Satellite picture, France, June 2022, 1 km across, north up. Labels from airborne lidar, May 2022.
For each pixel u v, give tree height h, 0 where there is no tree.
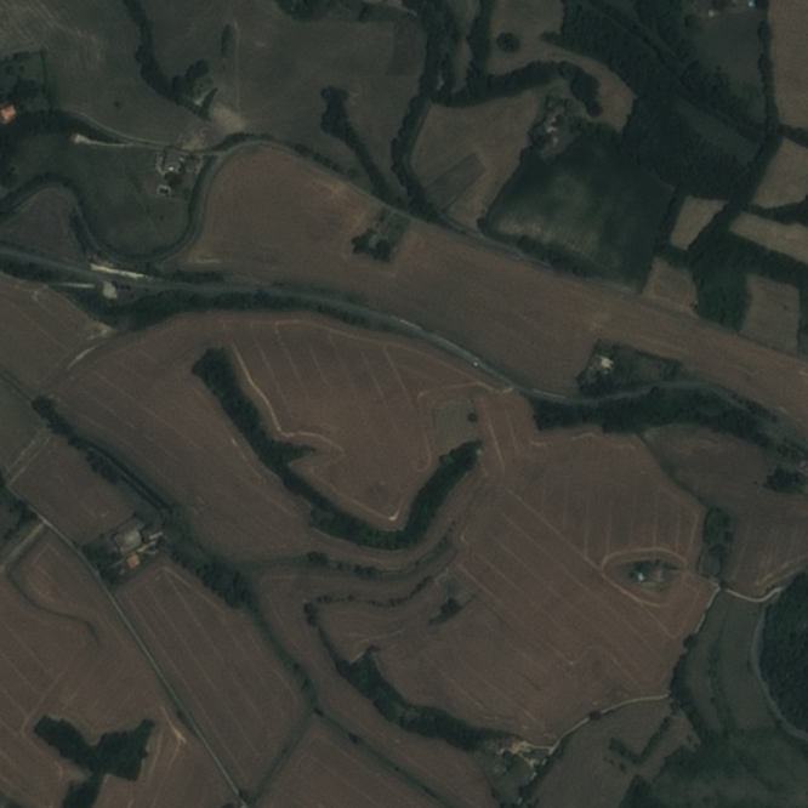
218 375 12
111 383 0
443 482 7
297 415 0
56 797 0
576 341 0
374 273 0
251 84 0
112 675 0
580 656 0
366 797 0
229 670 0
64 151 0
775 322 0
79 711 0
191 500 0
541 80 7
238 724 0
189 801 0
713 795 0
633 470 0
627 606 0
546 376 0
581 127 11
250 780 0
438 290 0
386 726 0
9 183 15
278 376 0
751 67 0
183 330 0
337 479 0
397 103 0
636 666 0
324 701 0
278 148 0
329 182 0
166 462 0
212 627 0
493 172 0
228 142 8
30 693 0
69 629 0
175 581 0
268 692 0
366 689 12
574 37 17
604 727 0
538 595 0
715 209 0
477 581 0
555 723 0
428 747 0
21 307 0
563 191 0
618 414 11
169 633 0
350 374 0
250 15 0
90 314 0
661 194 0
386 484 0
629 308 0
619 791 0
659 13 16
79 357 0
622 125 0
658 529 0
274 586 0
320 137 0
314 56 0
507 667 0
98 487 0
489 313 0
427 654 0
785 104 0
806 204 12
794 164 0
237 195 0
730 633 0
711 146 20
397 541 14
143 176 0
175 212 0
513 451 0
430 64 13
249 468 0
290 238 0
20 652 0
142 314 13
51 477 0
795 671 11
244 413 9
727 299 10
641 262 0
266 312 0
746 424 8
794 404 0
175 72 0
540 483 0
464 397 0
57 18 0
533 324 0
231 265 0
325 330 0
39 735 11
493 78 14
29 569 0
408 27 0
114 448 0
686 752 6
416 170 0
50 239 0
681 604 0
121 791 0
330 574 0
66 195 0
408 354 0
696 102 15
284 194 0
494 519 0
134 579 0
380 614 0
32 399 0
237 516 0
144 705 0
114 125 0
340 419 0
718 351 0
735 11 0
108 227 0
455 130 0
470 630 0
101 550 7
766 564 0
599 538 0
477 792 0
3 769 0
